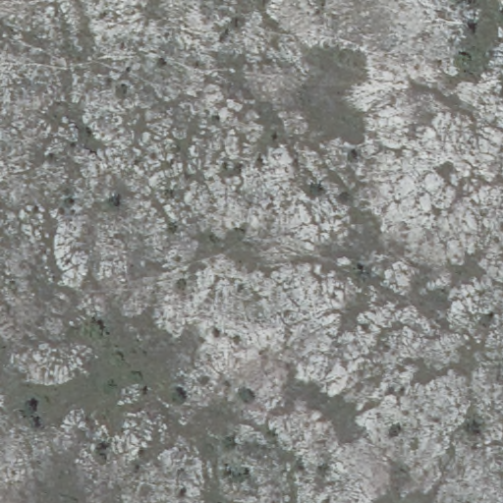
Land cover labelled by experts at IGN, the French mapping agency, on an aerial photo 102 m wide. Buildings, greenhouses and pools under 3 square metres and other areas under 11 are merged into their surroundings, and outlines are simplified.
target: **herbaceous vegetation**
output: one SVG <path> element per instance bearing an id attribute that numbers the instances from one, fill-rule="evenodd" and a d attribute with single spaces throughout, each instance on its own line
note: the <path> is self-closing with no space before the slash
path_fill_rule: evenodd
<path id="1" fill-rule="evenodd" d="M 37 330 L 33 338 L 22 338 L 24 344 L 35 350 L 39 344 L 49 344 L 51 348 L 63 348 L 73 344 L 88 346 L 90 354 L 84 358 L 83 365 L 88 369 L 88 375 L 81 375 L 79 369 L 75 369 L 73 379 L 59 385 L 37 385 L 26 381 L 4 397 L 4 403 L 0 407 L 0 413 L 8 415 L 6 424 L 10 428 L 14 428 L 14 424 L 33 426 L 33 417 L 39 417 L 39 430 L 45 432 L 45 438 L 53 438 L 53 426 L 61 426 L 69 411 L 83 409 L 84 424 L 88 428 L 96 430 L 94 420 L 100 420 L 112 436 L 120 436 L 124 434 L 126 413 L 151 409 L 157 397 L 165 397 L 169 403 L 173 403 L 173 393 L 179 387 L 185 389 L 185 377 L 169 371 L 167 360 L 175 358 L 173 336 L 165 328 L 159 328 L 155 324 L 155 310 L 147 307 L 138 316 L 124 316 L 120 308 L 114 307 L 116 295 L 110 295 L 104 301 L 104 312 L 98 316 L 100 320 L 104 320 L 108 334 L 104 334 L 96 324 L 92 324 L 92 320 L 86 320 L 79 326 L 69 326 L 69 322 L 63 322 L 63 330 L 59 334 Z M 122 387 L 130 387 L 134 383 L 138 383 L 140 387 L 138 401 L 130 405 L 118 405 Z"/>
<path id="2" fill-rule="evenodd" d="M 230 483 L 246 481 L 251 475 L 250 470 L 224 470 L 224 477 Z"/>
<path id="3" fill-rule="evenodd" d="M 222 238 L 214 236 L 212 232 L 200 232 L 191 236 L 191 240 L 198 242 L 198 248 L 189 259 L 189 271 L 196 273 L 206 269 L 202 265 L 202 259 L 210 259 L 210 263 L 214 263 L 216 255 L 222 253 L 226 259 L 236 263 L 238 271 L 261 271 L 265 277 L 269 277 L 273 271 L 267 259 L 259 257 L 261 244 L 248 242 L 244 238 L 248 224 L 242 224 L 238 228 L 232 228 Z"/>
<path id="4" fill-rule="evenodd" d="M 65 167 L 67 181 L 61 189 L 63 195 L 71 195 L 75 179 L 81 175 L 81 163 L 75 161 L 75 153 L 86 149 L 88 153 L 96 153 L 98 149 L 104 149 L 104 141 L 98 141 L 92 136 L 92 130 L 83 122 L 83 106 L 73 102 L 71 71 L 61 71 L 59 75 L 65 102 L 53 102 L 49 112 L 45 114 L 45 120 L 51 128 L 65 128 L 65 122 L 61 122 L 61 118 L 73 120 L 79 138 L 69 141 L 69 145 L 63 145 L 63 151 L 49 155 L 45 153 L 45 149 L 49 143 L 53 143 L 53 136 L 33 140 L 29 143 L 29 159 L 35 167 L 43 163 L 53 163 Z"/>
<path id="5" fill-rule="evenodd" d="M 458 0 L 468 4 L 470 10 L 477 8 L 481 14 L 477 22 L 470 22 L 466 26 L 466 39 L 460 41 L 460 53 L 456 53 L 454 61 L 458 73 L 448 75 L 444 83 L 450 88 L 456 88 L 460 83 L 479 83 L 483 73 L 491 73 L 489 61 L 495 57 L 495 47 L 503 43 L 503 0 Z"/>
<path id="6" fill-rule="evenodd" d="M 236 31 L 244 28 L 251 12 L 259 12 L 263 28 L 271 31 L 281 28 L 267 14 L 269 0 L 198 0 L 204 24 L 210 22 L 216 14 L 230 18 L 228 24 L 214 26 L 214 31 L 220 35 L 220 41 L 226 41 L 228 35 L 234 35 Z"/>

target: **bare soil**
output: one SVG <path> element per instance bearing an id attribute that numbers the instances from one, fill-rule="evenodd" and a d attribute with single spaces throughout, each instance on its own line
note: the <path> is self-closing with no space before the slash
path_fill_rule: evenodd
<path id="1" fill-rule="evenodd" d="M 140 387 L 138 383 L 134 383 L 130 387 L 122 387 L 118 405 L 130 405 L 138 401 Z"/>
<path id="2" fill-rule="evenodd" d="M 35 350 L 24 344 L 22 338 L 33 338 L 37 330 L 59 334 L 63 330 L 63 322 L 69 322 L 69 326 L 79 326 L 86 320 L 92 320 L 92 324 L 96 324 L 104 334 L 108 334 L 104 320 L 100 320 L 98 316 L 104 312 L 104 301 L 110 295 L 116 295 L 114 307 L 120 308 L 124 316 L 138 316 L 147 307 L 155 310 L 155 324 L 159 328 L 165 328 L 173 336 L 175 358 L 167 360 L 169 371 L 185 377 L 185 389 L 179 387 L 173 393 L 173 403 L 169 403 L 165 397 L 157 397 L 151 409 L 126 413 L 124 434 L 120 436 L 112 436 L 100 420 L 94 420 L 96 430 L 88 428 L 84 424 L 83 409 L 69 411 L 61 426 L 53 426 L 53 438 L 45 438 L 45 432 L 39 430 L 39 417 L 33 417 L 33 426 L 14 424 L 14 428 L 10 428 L 6 424 L 8 415 L 0 413 L 0 503 L 503 503 L 503 43 L 495 47 L 495 57 L 489 61 L 491 73 L 483 73 L 479 83 L 460 83 L 456 88 L 450 88 L 444 83 L 448 75 L 458 73 L 454 61 L 456 53 L 460 53 L 460 41 L 466 39 L 466 26 L 470 22 L 477 22 L 481 14 L 477 8 L 470 10 L 468 4 L 458 0 L 269 0 L 267 14 L 281 28 L 271 31 L 263 28 L 259 12 L 251 12 L 244 28 L 236 31 L 234 35 L 228 35 L 226 41 L 220 41 L 220 35 L 214 31 L 214 26 L 228 24 L 230 18 L 216 14 L 210 22 L 204 24 L 198 0 L 0 0 L 0 407 L 4 403 L 4 397 L 26 381 L 37 385 L 59 385 L 73 379 L 75 369 L 79 369 L 81 375 L 88 375 L 88 369 L 83 365 L 84 358 L 90 354 L 88 346 L 73 344 L 63 348 L 51 348 L 49 344 L 39 344 Z M 320 143 L 320 147 L 328 151 L 326 157 L 318 157 L 314 151 L 303 149 L 301 145 L 295 145 L 297 153 L 293 153 L 291 157 L 285 145 L 269 147 L 267 157 L 263 159 L 263 167 L 255 167 L 251 151 L 255 149 L 263 130 L 259 126 L 259 116 L 257 112 L 248 112 L 244 124 L 232 116 L 232 110 L 240 110 L 244 104 L 257 104 L 261 100 L 273 102 L 273 110 L 279 114 L 285 134 L 305 134 L 307 120 L 299 112 L 285 112 L 285 104 L 293 102 L 293 90 L 297 86 L 307 83 L 308 65 L 301 55 L 301 49 L 305 49 L 307 45 L 330 45 L 362 51 L 367 67 L 367 83 L 354 86 L 352 94 L 348 96 L 348 102 L 363 110 L 363 143 L 350 143 L 338 138 L 328 143 Z M 244 75 L 253 92 L 251 98 L 242 98 L 240 102 L 234 102 L 220 92 L 220 86 L 204 84 L 202 79 L 206 75 L 218 75 L 214 59 L 210 57 L 212 51 L 246 55 L 244 67 L 230 67 L 230 73 Z M 83 122 L 92 130 L 92 136 L 98 141 L 104 141 L 104 149 L 98 149 L 96 153 L 88 153 L 86 149 L 75 153 L 75 161 L 81 163 L 81 175 L 75 179 L 71 195 L 63 195 L 61 189 L 67 181 L 65 167 L 53 163 L 43 163 L 35 167 L 29 159 L 29 143 L 33 140 L 53 136 L 53 143 L 49 143 L 45 149 L 45 153 L 49 155 L 63 151 L 63 145 L 69 145 L 69 141 L 79 138 L 73 120 L 61 118 L 61 122 L 65 122 L 65 128 L 51 128 L 45 120 L 45 114 L 49 112 L 53 102 L 65 102 L 59 75 L 61 71 L 71 71 L 73 102 L 83 106 Z M 242 163 L 242 167 L 244 167 L 244 169 L 242 169 L 242 175 L 236 175 L 236 177 L 220 177 L 220 175 L 218 175 L 218 171 L 222 169 L 222 163 L 224 163 L 224 161 L 228 161 L 228 167 L 230 167 L 230 169 L 234 167 L 234 163 Z M 196 273 L 189 271 L 189 259 L 198 248 L 198 242 L 191 240 L 191 236 L 200 232 L 212 232 L 214 236 L 222 238 L 232 228 L 238 228 L 242 224 L 248 224 L 244 238 L 248 242 L 261 244 L 259 257 L 267 259 L 273 271 L 269 277 L 265 277 L 261 271 L 238 271 L 236 263 L 226 259 L 222 253 L 216 255 L 214 263 L 210 263 L 210 259 L 202 259 L 202 265 L 206 269 Z M 224 477 L 224 470 L 250 470 L 251 475 L 246 481 L 230 483 Z"/>

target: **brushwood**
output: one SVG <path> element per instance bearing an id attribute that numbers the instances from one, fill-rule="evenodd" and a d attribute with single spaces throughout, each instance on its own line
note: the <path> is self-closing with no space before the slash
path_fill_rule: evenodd
<path id="1" fill-rule="evenodd" d="M 301 145 L 303 149 L 314 151 L 318 157 L 326 157 L 328 151 L 320 147 L 320 143 L 328 143 L 338 138 L 350 143 L 363 143 L 363 110 L 348 102 L 348 96 L 352 94 L 354 86 L 367 83 L 367 67 L 362 51 L 330 45 L 307 45 L 305 49 L 301 49 L 301 55 L 308 65 L 307 83 L 297 86 L 293 90 L 293 102 L 285 104 L 285 112 L 299 112 L 307 120 L 305 134 L 285 134 L 279 114 L 273 110 L 273 102 L 261 100 L 257 104 L 244 104 L 240 110 L 232 110 L 232 116 L 244 124 L 248 112 L 257 112 L 259 116 L 259 126 L 263 130 L 255 149 L 251 151 L 255 167 L 263 167 L 263 159 L 267 157 L 269 147 L 285 145 L 291 157 L 293 153 L 297 153 L 295 145 Z"/>
<path id="2" fill-rule="evenodd" d="M 244 75 L 230 73 L 230 67 L 244 67 L 246 55 L 212 51 L 210 57 L 214 59 L 218 75 L 206 75 L 202 79 L 204 84 L 220 86 L 220 92 L 234 102 L 240 102 L 242 98 L 251 98 L 253 92 Z"/>
<path id="3" fill-rule="evenodd" d="M 222 163 L 222 169 L 218 171 L 218 175 L 220 175 L 220 177 L 236 177 L 236 175 L 242 175 L 242 169 L 244 169 L 244 167 L 242 167 L 242 163 L 234 163 L 234 167 L 230 169 L 230 167 L 228 167 L 228 161 L 224 161 L 224 163 Z"/>

